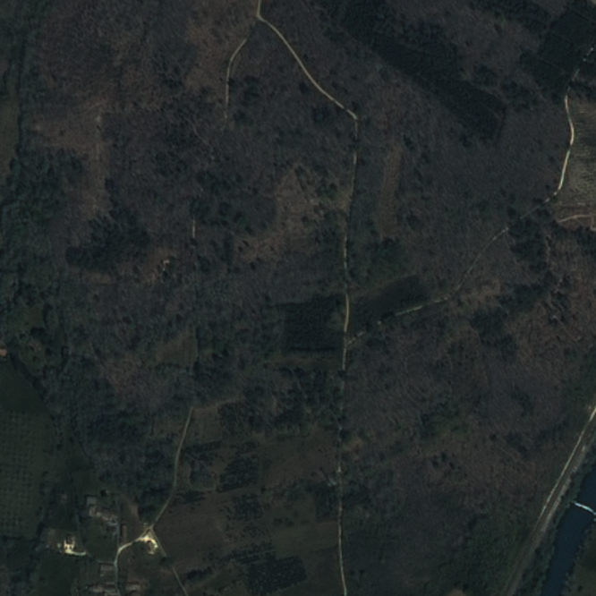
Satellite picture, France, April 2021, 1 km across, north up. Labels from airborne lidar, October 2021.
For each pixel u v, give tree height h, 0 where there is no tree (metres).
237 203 15
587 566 0
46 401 19
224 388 17
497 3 21
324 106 11
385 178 15
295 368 0
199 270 13
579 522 0
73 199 9
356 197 9
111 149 7
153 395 17
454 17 13
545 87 14
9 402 0
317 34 10
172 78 9
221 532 0
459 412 17
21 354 14
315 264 12
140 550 0
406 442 10
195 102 7
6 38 14
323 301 8
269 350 13
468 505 8
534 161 15
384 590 14
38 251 19
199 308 16
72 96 9
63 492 8
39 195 16
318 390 19
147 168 11
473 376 6
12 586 11
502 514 21
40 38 8
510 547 26
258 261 10
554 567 0
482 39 12
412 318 10
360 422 16
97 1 8
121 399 16
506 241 14
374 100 18
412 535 10
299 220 0
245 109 18
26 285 24
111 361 15
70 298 24
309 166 15
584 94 22
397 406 16
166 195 10
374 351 24
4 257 18
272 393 12
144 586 0
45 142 18
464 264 14
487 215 20
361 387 19
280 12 16
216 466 0
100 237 25
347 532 12
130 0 7
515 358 21
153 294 12
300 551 0
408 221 12
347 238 15
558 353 12
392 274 15
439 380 9
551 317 7
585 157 0
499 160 17
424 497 9
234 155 8
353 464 19
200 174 16
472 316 12
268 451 0
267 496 9
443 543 13
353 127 8
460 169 19
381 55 13
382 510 13
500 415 15
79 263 27
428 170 18
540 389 17
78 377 18
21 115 9
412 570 13
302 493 7
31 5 20
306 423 13
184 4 16
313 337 8
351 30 14
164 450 14
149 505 20
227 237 11
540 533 0
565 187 0
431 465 11
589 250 30
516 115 11
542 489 15
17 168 14
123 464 21
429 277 12
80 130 9
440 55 25
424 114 11
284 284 12
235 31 17
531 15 20
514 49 9
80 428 21
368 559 13
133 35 20
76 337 22
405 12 14
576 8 11
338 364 0
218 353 15
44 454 6
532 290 9
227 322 14
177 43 13
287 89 10
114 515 0
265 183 9
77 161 10
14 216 21
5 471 15
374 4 11
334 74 6
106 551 0
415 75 15
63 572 0
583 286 11
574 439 8
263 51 14
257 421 14
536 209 16
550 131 12
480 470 7
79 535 0
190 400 14
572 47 13
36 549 12
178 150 7
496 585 19
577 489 14
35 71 18
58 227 10
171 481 15
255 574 5
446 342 12
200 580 14
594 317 10
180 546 0
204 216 24
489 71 7
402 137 13
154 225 10
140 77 6
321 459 0
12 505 9
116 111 20
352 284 13
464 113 11
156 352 15
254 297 14
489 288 21
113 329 16
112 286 8
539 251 22
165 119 9
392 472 15
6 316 22
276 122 13
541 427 16
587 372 19
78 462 0
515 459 14
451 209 12
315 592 0
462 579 14
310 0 22
